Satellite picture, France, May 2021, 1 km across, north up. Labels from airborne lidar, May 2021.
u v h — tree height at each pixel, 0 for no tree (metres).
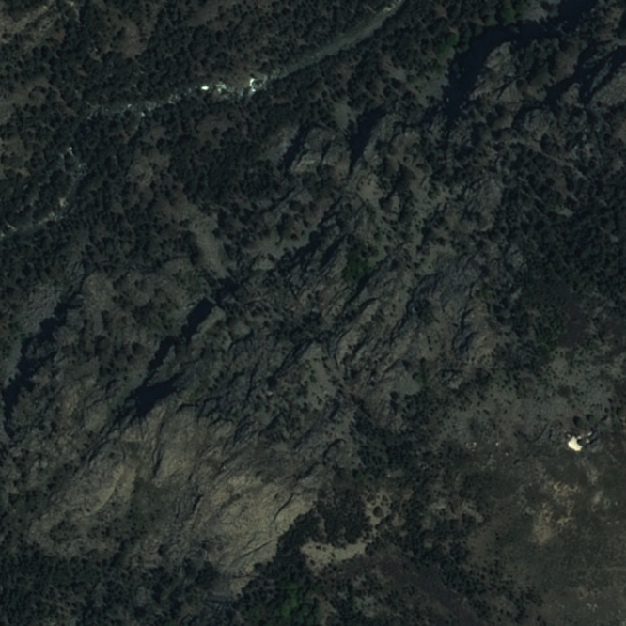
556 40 29
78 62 32
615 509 0
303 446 0
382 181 8
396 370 0
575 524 0
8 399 0
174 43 20
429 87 0
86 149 20
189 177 25
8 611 19
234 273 18
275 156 0
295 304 0
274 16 13
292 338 12
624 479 0
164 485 0
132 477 0
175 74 27
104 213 20
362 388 0
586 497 0
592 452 0
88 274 7
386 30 20
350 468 0
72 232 17
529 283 10
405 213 15
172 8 29
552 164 21
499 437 0
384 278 0
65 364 0
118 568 15
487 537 0
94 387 0
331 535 10
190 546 0
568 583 0
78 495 0
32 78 24
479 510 9
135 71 25
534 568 0
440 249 0
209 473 0
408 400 10
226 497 0
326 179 14
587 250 21
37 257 18
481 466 0
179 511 0
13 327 11
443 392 0
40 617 13
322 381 0
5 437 0
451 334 0
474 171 17
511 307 10
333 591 8
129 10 30
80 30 23
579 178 0
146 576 14
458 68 21
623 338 0
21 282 18
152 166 9
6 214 11
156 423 0
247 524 0
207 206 13
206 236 0
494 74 19
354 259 15
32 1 12
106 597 8
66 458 0
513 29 24
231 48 15
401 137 0
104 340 29
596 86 0
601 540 0
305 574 14
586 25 19
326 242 9
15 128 31
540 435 0
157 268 19
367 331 10
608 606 0
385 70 16
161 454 0
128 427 0
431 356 0
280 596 13
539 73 23
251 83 0
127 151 19
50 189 25
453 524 13
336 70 14
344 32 20
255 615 16
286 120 23
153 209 24
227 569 0
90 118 0
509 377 7
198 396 9
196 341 0
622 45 0
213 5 0
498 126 17
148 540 0
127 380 11
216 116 21
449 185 11
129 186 12
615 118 20
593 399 0
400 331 0
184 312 0
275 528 0
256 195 15
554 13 29
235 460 0
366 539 9
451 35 24
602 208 6
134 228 9
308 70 17
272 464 0
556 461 0
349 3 21
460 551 10
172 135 20
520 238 8
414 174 10
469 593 10
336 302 0
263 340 0
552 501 0
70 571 9
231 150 23
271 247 0
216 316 0
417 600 0
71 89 19
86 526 0
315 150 0
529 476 0
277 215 0
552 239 25
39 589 16
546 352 9
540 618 9
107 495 0
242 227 0
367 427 7
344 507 9
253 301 0
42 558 15
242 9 15
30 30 7
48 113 28
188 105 20
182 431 0
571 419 0
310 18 26
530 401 0
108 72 27
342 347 0
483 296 8
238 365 0
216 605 0
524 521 0
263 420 0
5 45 8
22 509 0
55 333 36
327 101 16
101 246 16
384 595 0
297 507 0
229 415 6
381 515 12
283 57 21
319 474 0
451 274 0
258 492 0
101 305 0
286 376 6
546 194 24
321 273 0
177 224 10
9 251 15
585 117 14
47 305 0
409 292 10
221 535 0
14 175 19
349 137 13
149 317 17
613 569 0
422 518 9
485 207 0
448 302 0
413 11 25
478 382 9
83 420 0
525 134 15
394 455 10
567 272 7
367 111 8
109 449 0
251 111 17
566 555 0
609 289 10
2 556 15
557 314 7
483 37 13
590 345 9
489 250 7
